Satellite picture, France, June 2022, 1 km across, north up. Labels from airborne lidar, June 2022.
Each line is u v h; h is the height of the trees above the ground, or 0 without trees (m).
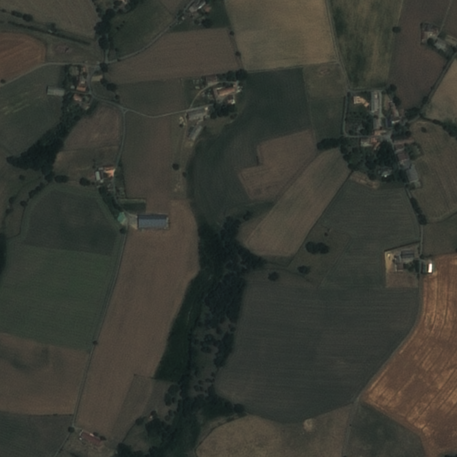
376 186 0
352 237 0
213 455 0
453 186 0
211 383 9
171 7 0
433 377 0
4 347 0
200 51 0
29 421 0
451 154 0
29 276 0
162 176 0
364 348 0
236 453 0
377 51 0
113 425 0
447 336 0
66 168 0
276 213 0
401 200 0
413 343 0
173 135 0
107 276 0
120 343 0
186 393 15
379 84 0
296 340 0
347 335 0
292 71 0
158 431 15
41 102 0
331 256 0
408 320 0
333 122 0
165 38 0
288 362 0
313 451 0
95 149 0
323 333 0
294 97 0
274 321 0
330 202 0
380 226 0
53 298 0
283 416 0
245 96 0
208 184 0
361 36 0
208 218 0
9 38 0
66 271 0
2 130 0
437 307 0
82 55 0
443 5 0
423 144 0
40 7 0
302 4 0
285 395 0
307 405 0
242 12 0
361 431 0
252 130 0
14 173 0
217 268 8
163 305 0
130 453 13
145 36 0
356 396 0
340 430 0
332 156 0
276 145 0
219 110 11
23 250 0
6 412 0
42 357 0
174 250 0
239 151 0
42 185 12
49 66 0
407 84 0
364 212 0
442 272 0
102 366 0
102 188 12
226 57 0
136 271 0
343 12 0
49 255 0
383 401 0
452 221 0
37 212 0
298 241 0
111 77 0
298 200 0
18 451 0
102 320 0
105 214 0
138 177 0
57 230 0
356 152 9
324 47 0
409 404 0
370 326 0
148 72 0
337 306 0
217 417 0
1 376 0
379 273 0
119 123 0
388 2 0
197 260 0
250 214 17
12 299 0
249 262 21
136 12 0
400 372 0
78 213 0
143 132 0
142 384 0
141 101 0
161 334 0
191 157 0
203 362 0
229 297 20
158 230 0
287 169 0
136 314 0
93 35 0
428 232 0
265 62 0
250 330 0
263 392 0
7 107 0
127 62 0
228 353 12
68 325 0
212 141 0
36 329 0
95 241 0
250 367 0
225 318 9
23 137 0
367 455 0
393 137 12
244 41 0
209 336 13
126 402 0
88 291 0
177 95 0
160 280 0
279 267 0
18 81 0
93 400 0
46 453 0
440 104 0
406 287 0
